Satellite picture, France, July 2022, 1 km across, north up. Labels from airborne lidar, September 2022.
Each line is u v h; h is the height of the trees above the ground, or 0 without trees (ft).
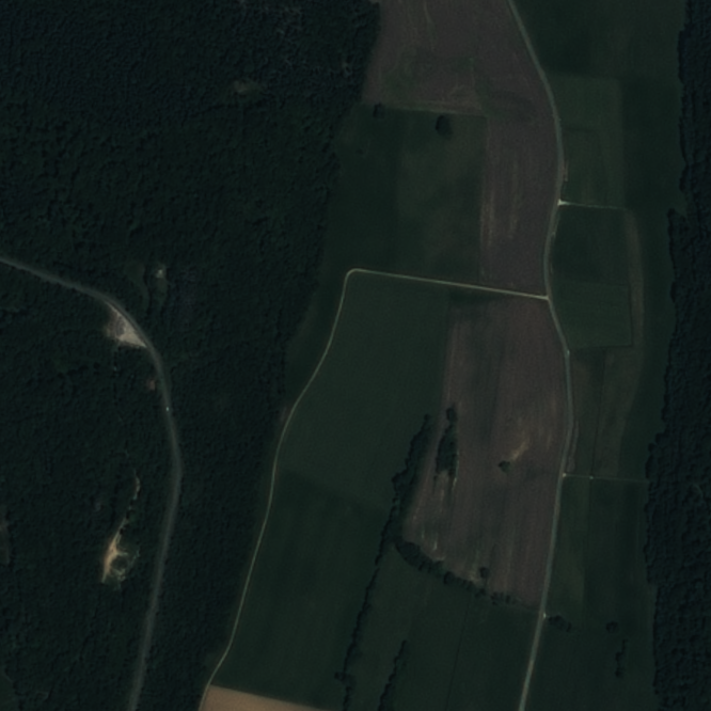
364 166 0
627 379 0
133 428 39
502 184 0
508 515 0
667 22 0
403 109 0
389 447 0
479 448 0
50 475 53
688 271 40
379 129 0
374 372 0
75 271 84
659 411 0
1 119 66
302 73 54
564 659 0
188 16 51
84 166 56
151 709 39
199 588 48
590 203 0
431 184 0
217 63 49
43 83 68
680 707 71
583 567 0
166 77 64
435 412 0
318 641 0
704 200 93
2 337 52
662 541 52
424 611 0
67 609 50
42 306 62
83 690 62
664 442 65
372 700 0
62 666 53
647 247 0
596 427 0
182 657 49
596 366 0
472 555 0
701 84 72
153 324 55
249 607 0
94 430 56
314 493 0
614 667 0
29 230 61
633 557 0
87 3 44
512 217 0
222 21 52
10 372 52
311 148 53
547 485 0
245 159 50
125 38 68
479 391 0
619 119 0
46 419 44
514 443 0
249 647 0
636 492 0
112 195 59
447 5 0
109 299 0
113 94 51
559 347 0
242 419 37
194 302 62
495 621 0
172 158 39
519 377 0
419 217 0
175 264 50
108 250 61
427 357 0
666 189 0
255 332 55
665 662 46
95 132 68
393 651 0
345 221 0
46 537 51
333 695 0
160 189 62
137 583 52
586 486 0
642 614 0
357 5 60
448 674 0
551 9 0
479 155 0
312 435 0
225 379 54
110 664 54
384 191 0
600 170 0
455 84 0
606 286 0
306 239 62
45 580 30
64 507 50
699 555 63
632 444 0
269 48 47
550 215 0
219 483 39
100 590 40
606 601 0
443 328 0
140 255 60
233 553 60
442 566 48
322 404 0
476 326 0
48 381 64
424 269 0
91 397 47
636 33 0
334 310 0
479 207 0
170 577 43
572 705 0
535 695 0
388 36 0
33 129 63
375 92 0
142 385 63
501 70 0
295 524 0
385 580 0
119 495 58
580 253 0
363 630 45
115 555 0
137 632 27
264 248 48
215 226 55
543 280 0
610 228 0
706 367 63
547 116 0
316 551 0
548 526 0
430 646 0
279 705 0
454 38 0
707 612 61
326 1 66
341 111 56
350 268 0
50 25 68
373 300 0
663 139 0
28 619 27
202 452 46
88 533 54
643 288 0
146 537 33
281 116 60
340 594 0
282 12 49
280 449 0
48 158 45
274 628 0
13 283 70
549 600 0
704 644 59
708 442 98
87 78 66
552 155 0
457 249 0
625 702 0
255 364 60
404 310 0
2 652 52
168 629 20
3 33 68
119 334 0
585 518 0
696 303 71
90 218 54
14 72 74
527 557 0
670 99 0
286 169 54
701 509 56
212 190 50
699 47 80
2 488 59
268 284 49
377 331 0
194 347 39
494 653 0
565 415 0
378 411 0
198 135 48
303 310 67
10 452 55
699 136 76
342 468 0
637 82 0
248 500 49
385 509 0
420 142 0
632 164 0
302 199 49
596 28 0
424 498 0
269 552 0
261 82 80
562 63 0
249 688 0
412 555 54
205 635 60
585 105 0
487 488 0
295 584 0
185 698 46
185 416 61
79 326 46
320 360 0
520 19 0
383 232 0
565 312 0
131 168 63
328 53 64
